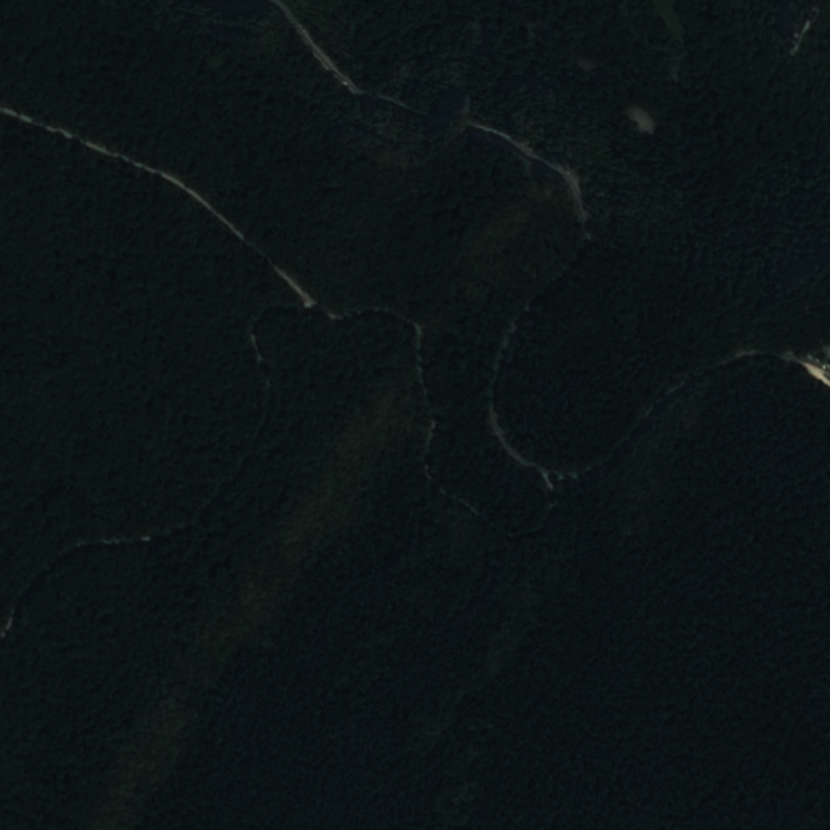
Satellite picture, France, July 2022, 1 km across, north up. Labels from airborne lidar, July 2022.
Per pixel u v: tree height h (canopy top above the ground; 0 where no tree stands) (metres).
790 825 19
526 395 21
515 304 17
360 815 16
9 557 16
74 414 22
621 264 23
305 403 20
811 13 6
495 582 20
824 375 0
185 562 22
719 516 21
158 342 18
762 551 14
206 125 21
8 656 22
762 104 24
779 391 20
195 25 16
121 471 24
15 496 18
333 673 20
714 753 16
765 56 19
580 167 14
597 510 21
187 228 17
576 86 25
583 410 21
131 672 19
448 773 9
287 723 19
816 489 16
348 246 18
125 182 20
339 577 25
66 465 17
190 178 17
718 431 19
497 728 13
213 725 21
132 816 17
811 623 13
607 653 24
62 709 22
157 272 18
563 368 16
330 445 15
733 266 17
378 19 27
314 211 16
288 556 15
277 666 23
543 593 14
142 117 20
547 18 28
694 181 29
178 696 16
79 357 18
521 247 20
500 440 17
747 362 13
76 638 20
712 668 19
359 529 21
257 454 23
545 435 18
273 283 20
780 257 17
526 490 25
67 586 18
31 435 19
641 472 15
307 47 28
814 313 18
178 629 21
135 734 17
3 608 14
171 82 20
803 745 17
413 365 19
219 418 21
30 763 22
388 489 20
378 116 14
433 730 17
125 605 20
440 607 24
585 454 16
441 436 16
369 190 16
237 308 17
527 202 16
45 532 23
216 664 19
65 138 21
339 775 23
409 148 13
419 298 17
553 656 24
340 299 19
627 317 19
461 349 13
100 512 15
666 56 25
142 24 19
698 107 24
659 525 15
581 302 24
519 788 15
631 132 18
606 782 21
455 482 23
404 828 18
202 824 20
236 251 21
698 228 30
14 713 18
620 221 21
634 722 14
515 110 19
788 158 19
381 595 23
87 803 21
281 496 20
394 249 17
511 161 20
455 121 11
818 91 21
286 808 19
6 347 24
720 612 18
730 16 17
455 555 19
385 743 20
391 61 25
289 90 25
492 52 21
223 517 16
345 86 0
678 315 20
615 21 24
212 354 19
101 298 18
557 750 21
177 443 23
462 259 22
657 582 20
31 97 21
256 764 25
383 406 15
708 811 23
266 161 18
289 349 21
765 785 19
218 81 22
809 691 20
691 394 12
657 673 16
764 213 22
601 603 20
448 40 31
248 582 15
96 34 21
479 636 18
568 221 23
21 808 20
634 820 26
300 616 26
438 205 26
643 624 18
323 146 16
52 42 22
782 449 20
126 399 17
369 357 24
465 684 17
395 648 20
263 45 20
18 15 20
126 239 21
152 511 19
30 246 21
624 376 20
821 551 22
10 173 18
